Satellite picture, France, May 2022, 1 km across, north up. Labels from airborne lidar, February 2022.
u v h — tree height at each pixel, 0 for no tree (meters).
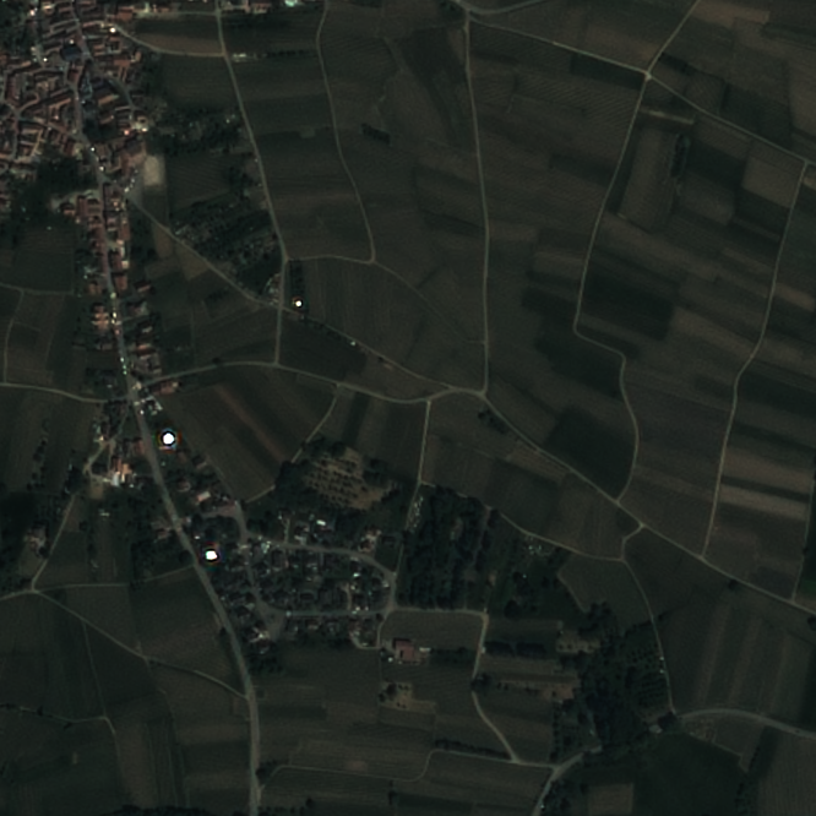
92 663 0
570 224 0
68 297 0
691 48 0
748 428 0
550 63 0
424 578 15
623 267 0
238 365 0
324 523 0
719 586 0
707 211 0
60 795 0
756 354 0
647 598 0
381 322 0
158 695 0
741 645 0
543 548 0
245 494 0
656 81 0
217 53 0
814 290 0
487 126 0
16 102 0
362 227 0
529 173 0
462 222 0
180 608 0
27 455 0
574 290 0
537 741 0
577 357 0
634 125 0
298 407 0
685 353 0
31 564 0
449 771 0
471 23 0
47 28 0
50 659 0
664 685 8
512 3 0
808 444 0
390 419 0
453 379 0
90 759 0
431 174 0
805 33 0
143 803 0
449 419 0
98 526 0
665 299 0
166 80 0
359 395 0
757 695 0
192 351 0
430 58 0
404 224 0
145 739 0
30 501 0
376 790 0
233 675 0
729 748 0
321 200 0
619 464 0
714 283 0
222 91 0
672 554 0
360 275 0
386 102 0
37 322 0
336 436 0
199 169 0
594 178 0
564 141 0
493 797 0
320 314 0
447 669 0
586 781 0
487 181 0
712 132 0
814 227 0
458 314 0
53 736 0
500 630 0
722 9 0
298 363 0
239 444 0
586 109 0
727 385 0
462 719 0
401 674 0
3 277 0
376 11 0
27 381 0
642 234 0
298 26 0
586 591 0
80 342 0
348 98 0
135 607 0
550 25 0
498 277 0
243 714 0
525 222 0
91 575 0
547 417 0
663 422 0
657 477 0
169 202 0
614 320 0
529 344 0
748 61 0
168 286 0
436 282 0
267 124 0
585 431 0
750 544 0
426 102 0
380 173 0
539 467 0
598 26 0
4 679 0
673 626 0
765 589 0
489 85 0
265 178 0
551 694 0
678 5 0
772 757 0
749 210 0
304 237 0
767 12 0
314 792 0
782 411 0
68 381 0
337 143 0
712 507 0
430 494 0
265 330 0
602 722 23
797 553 0
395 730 0
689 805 0
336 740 0
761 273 0
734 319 0
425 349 0
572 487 0
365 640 0
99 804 0
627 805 0
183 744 0
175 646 0
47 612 0
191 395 0
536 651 19
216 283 0
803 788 0
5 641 0
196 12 0
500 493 0
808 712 0
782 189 0
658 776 0
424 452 0
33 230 0
